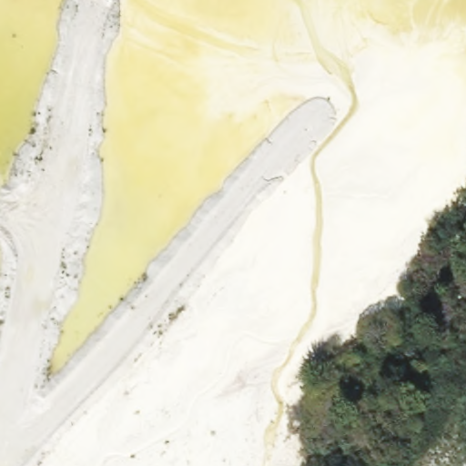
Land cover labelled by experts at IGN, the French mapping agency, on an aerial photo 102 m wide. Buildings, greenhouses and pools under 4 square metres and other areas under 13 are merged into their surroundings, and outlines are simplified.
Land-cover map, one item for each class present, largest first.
<instances>
[{"label":"pervious surface","instance_id":"1","mask_svg":"<svg viewBox=\"0 0 466 466\"><path fill-rule=\"evenodd\" d=\"M120 33V0H66L58 24L55 60L36 107L35 135H29L27 142L20 147L11 169V178L7 186L0 189V466H300L304 459L300 455V441L297 435L300 422L291 413L293 404H297L302 397V384L300 366L319 342L329 339L331 342L342 344L355 335L360 315L370 306L388 297L404 300L397 286L400 277L408 269L411 258L419 251L420 238L426 235L433 215L446 206H451V202L457 198V189L466 187V100L461 98V78L453 71L451 62H442L437 58L439 47L435 44L420 47L419 44L408 42L406 46H397L386 55L370 49L353 56L349 67L359 93V111L317 160L324 198L319 315L299 346L291 340L299 333L304 320L308 319L311 304L309 284L313 268L311 242L315 229V195L309 177V157L313 149L328 137L331 129L340 122L337 118V107L333 104L331 96H302L300 106L295 111H289L282 126L258 147L237 173H233L224 182L218 195L208 198L202 204V208L193 215L186 228L182 229L177 237L171 240V244L164 251H160L157 258L147 266L146 282H138L126 299L118 304V308L104 320V324L87 339L86 344L75 351L66 368L51 377L46 371L47 362L51 360V355L58 344L62 320L66 319L69 309L75 306L78 299V286L84 275V257L89 248L93 228L102 211L104 193L102 162L98 157V147L104 138V64L109 49Z\"/></svg>","mask_w":466,"mask_h":466},{"label":"water","instance_id":"2","mask_svg":"<svg viewBox=\"0 0 466 466\"><path fill-rule=\"evenodd\" d=\"M66 0H0V189L7 186L11 178V169L20 147L27 142L29 135H35L36 107L55 60L58 24ZM408 42L419 44L420 47L435 44L439 47L437 58L442 62H451L453 71L461 78V98L466 100V0H120V33L109 49L104 64V138L98 147V157L102 162L104 193L102 211L93 228L89 248L84 257V275L78 286V299L75 306L69 309L66 319L62 320L58 344L51 355V360L47 362L46 371L51 377L66 368L75 351L86 344L87 339L104 324V320L118 308V304L126 299L138 282H146L147 266L157 258L160 251H164L171 244V240L177 237L182 229L186 228L193 215L202 208V204L208 198L218 195L224 182L233 173H237L258 147L282 126L289 111H295L300 106L302 96H331L333 104L337 107V118L340 122L331 129L328 137L313 149L309 157V177L315 195V229L311 242L313 268L309 284L311 304L308 319L304 320L299 333L291 340L299 346L319 315L324 198L317 160L359 111V93L349 67L353 56L370 49L386 55L397 46H406Z\"/></svg>","mask_w":466,"mask_h":466},{"label":"coniferous trees","instance_id":"3","mask_svg":"<svg viewBox=\"0 0 466 466\"><path fill-rule=\"evenodd\" d=\"M404 300L388 297L370 306L360 315L355 335L342 344L331 342L329 339L319 342L300 366L302 384L308 382L311 388H317L319 384L329 382L340 388L339 393L331 399L328 426L322 428L317 437H309L306 441L324 446L329 453H309L304 459L300 466H413L426 455V451L437 446L439 439H450L451 435H459V442L466 444V384L457 386L448 382L453 364L448 362L446 357L439 355V349L448 348L451 340L461 335L459 328L451 319L457 315L459 309L466 306V187L457 189V198L451 202V206H446L433 215L426 235L420 238L419 251L411 258L408 269L400 277L397 286Z\"/></svg>","mask_w":466,"mask_h":466},{"label":"herbaceous vegetation","instance_id":"4","mask_svg":"<svg viewBox=\"0 0 466 466\"><path fill-rule=\"evenodd\" d=\"M459 328L461 335L451 340L448 348L439 349V355L446 357L448 362L453 364L448 382L457 386L466 384V306L459 309L457 315L451 319ZM340 388L329 382L319 384L317 388H311L308 382L302 384V397L297 404H293L291 413L300 422L297 435L300 441V455L304 459L309 453H329L324 446L306 441L309 437H317L322 428L328 426L331 399L339 393ZM413 466H466V444L459 442V435H451L450 439H439L437 446L426 451V455Z\"/></svg>","mask_w":466,"mask_h":466}]
</instances>
